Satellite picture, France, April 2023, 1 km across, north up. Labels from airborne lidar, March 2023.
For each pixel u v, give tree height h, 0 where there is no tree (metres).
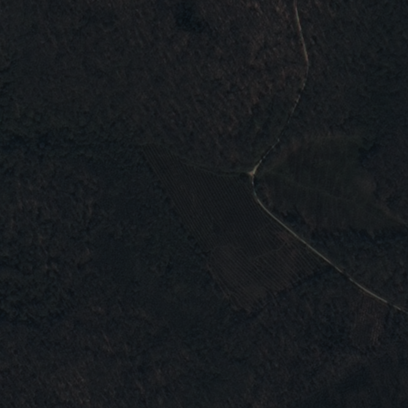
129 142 20
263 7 24
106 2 23
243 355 20
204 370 18
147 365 24
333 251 25
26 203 26
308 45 25
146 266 27
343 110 28
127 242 19
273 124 23
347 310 23
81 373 25
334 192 0
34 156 26
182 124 32
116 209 23
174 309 16
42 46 23
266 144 26
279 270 0
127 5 29
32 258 22
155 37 25
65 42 26
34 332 20
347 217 0
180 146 32
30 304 11
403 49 30
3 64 25
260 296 0
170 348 26
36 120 11
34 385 22
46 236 24
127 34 28
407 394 13
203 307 19
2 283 25
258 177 0
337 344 11
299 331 25
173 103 30
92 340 22
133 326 21
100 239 17
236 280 0
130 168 21
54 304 15
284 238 0
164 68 30
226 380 22
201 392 25
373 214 0
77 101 28
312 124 32
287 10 23
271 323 15
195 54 31
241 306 0
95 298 22
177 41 29
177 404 28
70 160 14
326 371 16
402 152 27
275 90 28
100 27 28
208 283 20
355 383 12
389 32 28
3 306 15
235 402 23
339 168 0
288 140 24
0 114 23
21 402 24
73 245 15
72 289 15
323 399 12
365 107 26
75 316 22
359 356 15
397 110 25
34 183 17
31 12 23
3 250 26
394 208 27
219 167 28
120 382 25
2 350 17
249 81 27
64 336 21
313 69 27
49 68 16
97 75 34
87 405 22
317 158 0
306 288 21
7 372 19
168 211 15
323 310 19
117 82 30
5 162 26
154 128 29
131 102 24
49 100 21
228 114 29
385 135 29
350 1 29
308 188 0
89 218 21
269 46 24
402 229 0
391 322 18
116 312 24
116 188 28
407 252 27
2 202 25
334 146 0
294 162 0
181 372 30
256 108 27
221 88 31
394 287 23
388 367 11
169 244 19
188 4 22
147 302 17
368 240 27
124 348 19
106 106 28
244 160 23
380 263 27
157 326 24
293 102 24
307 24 26
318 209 0
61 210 28
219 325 19
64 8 27
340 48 28
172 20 27
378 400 9
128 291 18
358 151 0
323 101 29
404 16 28
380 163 27
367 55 20
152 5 29
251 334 24
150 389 29
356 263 26
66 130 15
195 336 21
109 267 18
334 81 26
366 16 28
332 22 29
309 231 27
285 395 18
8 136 24
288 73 25
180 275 18
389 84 24
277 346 14
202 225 0
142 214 19
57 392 21
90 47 30
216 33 22
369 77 23
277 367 21
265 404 18
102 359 24
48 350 22
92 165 17
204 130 30
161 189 23
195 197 0
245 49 22
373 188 0
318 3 29
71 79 27
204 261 22
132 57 25
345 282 23
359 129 26
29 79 22
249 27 20
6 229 26
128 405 28
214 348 24
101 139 23
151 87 26
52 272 25
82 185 16
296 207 0
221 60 25
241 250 0
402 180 33
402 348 13
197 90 32
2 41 26
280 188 0
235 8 18
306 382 12
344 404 12
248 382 24
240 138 28
